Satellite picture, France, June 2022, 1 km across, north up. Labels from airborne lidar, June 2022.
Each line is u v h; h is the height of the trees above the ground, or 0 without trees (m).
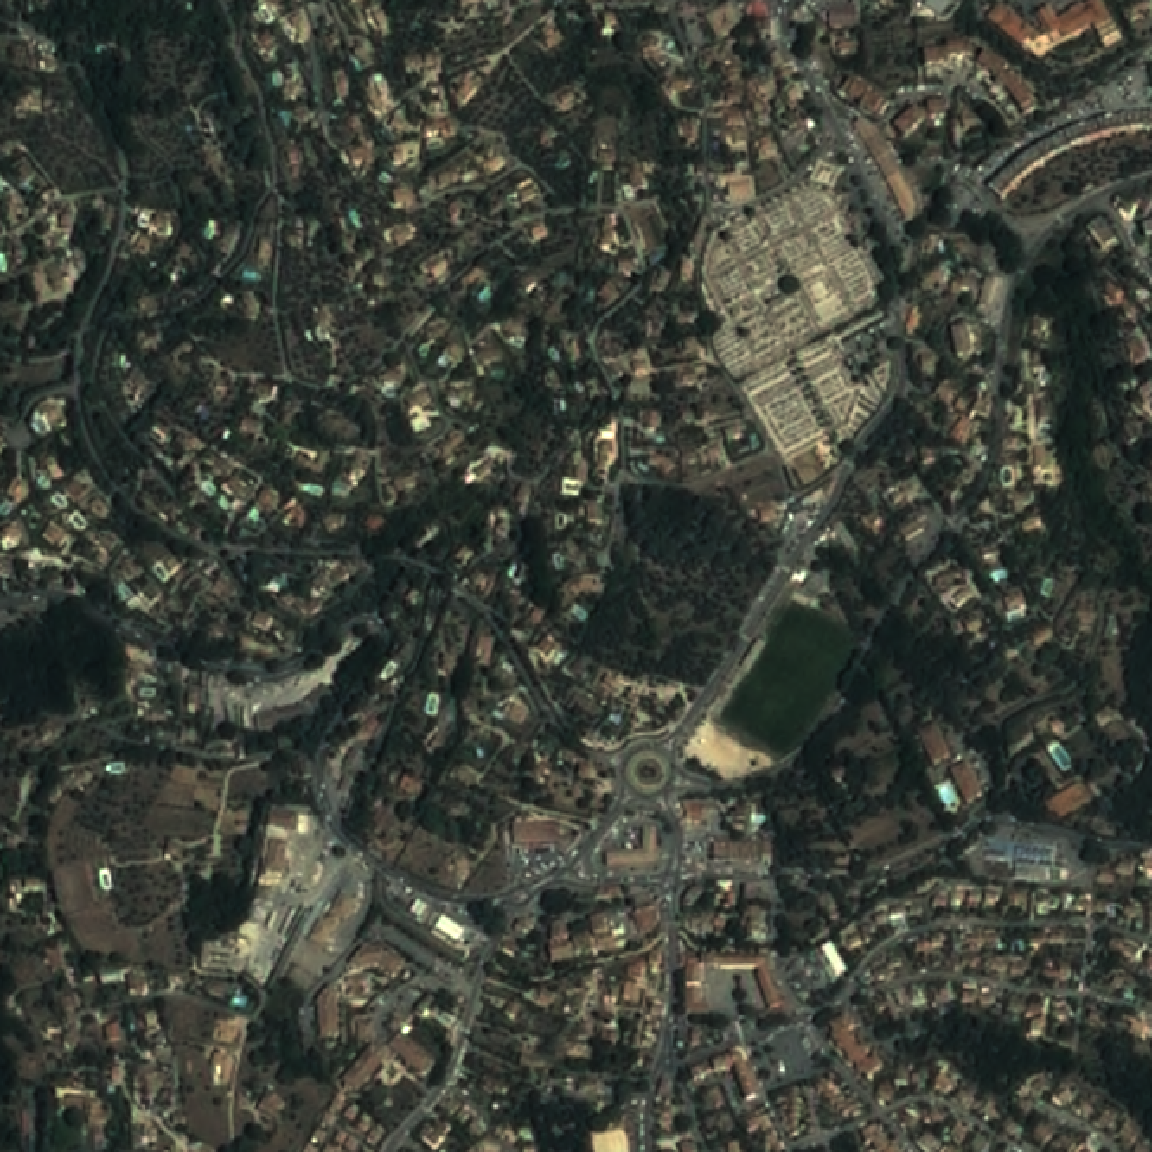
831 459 0
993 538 8
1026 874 0
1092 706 14
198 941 12
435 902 0
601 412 8
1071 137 0
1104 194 0
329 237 10
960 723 11
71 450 10
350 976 0
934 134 11
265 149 21
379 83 0
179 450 5
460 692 14
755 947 8
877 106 0
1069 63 6
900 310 0
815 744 14
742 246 0
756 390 0
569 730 8
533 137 6
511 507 7
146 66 8
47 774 16
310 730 17
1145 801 11
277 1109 0
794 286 12
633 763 0
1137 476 10
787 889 10
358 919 0
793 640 0
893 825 0
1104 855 15
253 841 15
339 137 6
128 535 8
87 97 9
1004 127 12
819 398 8
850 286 0
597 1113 7
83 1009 5
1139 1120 7
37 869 11
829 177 0
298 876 0
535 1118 11
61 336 13
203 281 6
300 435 10
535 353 10
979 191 0
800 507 0
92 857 0
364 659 16
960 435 0
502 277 14
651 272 6
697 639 8
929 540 0
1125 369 12
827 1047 0
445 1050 9
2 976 11
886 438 9
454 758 10
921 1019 11
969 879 9
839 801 11
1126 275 13
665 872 0
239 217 6
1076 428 16
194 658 15
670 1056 0
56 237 0
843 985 11
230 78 20
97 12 13
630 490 9
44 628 16
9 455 13
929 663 8
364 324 8
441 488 6
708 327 13
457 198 6
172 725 7
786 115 5
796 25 11
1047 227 0
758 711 0
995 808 12
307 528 6
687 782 0
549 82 6
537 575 14
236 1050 0
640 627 7
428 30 7
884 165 0
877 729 14
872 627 12
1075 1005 5
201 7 14
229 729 14
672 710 6
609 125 0
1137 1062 12
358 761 0
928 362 0
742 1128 8
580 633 10
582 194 6
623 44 20
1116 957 8
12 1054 8
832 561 7
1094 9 0
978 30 9
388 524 6
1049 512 7
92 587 8
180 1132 6
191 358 8
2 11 7
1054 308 10
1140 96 0
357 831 16
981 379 10
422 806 13
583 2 7
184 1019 0
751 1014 13
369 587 8
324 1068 13
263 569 16
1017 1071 9
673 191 7
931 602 16
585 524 5
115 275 6
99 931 0
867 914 8
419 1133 6
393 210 7
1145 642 11
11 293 13
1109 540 7
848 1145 10
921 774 12
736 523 7
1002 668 14
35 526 9
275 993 7
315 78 0
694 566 6
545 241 9
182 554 13
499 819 7
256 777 0
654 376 6
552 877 0
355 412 19
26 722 9
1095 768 18
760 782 11
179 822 0
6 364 8
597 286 7
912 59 8
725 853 0
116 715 6
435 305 11
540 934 14
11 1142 10
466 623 5
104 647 16
